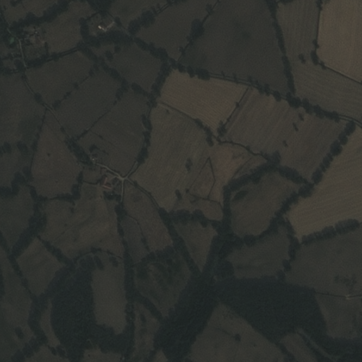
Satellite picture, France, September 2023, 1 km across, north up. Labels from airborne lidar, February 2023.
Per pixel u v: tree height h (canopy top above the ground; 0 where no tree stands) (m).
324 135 0
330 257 0
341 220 0
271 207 0
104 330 20
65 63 0
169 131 0
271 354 0
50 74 0
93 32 0
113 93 0
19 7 0
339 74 0
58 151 0
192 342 13
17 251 19
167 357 18
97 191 0
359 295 0
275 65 0
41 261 0
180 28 0
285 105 0
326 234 19
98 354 0
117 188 0
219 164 0
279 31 18
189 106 0
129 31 15
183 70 13
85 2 0
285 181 0
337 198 0
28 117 0
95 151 0
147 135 12
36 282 0
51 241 0
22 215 0
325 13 0
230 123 0
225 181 0
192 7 0
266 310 25
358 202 0
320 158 0
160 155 0
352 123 11
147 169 0
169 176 0
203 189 0
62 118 0
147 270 0
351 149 0
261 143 0
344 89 0
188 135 0
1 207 0
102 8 11
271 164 18
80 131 0
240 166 0
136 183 13
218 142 13
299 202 0
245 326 0
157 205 10
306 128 0
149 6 0
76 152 13
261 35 0
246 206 0
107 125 0
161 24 0
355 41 0
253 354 0
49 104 0
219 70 0
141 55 0
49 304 0
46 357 0
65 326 19
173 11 0
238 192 0
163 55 19
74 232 0
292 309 32
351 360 19
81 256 18
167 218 20
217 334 0
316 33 0
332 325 0
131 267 10
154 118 0
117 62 0
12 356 0
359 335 0
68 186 0
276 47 0
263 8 0
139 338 0
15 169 0
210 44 0
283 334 19
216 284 0
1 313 0
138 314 0
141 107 0
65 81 0
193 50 0
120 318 0
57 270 0
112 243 0
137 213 0
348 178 0
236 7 0
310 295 26
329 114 11
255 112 0
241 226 0
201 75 19
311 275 0
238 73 0
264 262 0
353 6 0
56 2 0
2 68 15
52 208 0
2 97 0
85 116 0
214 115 0
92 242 0
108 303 0
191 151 0
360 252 0
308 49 0
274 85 0
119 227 12
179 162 0
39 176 0
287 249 0
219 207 0
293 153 0
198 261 0
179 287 0
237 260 0
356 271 0
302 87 0
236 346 0
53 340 0
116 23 12
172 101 0
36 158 0
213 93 0
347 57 0
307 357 0
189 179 0
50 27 0
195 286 16
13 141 0
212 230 0
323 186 0
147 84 0
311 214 0
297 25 0
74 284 20
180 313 13
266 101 0
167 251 15
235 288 29
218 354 0
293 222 0
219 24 0
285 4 0
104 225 0
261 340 0
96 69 18
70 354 20
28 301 0
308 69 0
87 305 15
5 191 19
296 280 0
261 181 0
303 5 0
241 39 0
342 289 0
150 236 0
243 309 20
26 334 0
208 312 18
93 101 0
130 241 0
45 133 0
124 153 0
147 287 0
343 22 0
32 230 17
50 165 0
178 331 19
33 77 0
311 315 19
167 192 0
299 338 0
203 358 0
